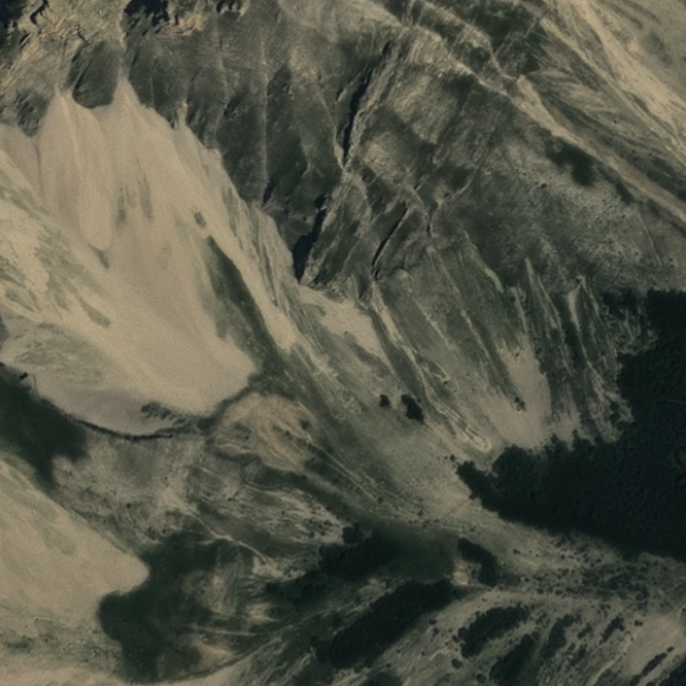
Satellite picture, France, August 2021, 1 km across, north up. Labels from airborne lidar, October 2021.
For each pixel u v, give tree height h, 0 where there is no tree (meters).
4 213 0
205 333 0
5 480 0
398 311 0
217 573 0
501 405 0
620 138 0
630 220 0
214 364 0
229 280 0
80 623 0
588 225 0
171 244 0
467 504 0
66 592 0
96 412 0
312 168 0
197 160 0
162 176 0
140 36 0
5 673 0
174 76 0
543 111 0
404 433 0
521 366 0
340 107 0
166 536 0
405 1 0
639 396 12
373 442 0
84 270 0
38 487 0
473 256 0
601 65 0
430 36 0
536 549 0
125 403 0
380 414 0
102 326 0
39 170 0
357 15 0
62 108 0
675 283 0
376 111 0
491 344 0
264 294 0
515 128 0
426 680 0
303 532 0
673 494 16
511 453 5
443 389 0
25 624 0
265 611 0
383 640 8
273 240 0
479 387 0
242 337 0
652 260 0
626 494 16
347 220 0
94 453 0
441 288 0
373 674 0
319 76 0
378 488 0
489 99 0
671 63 0
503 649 0
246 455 0
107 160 0
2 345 0
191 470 0
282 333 0
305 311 0
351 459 0
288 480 0
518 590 0
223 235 0
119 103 0
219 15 0
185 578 0
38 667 0
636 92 0
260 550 0
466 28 0
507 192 0
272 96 0
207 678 0
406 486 0
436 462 0
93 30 0
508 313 0
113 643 0
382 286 0
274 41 0
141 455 0
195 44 0
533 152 0
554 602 0
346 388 0
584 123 0
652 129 0
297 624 0
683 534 15
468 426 0
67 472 0
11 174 0
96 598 0
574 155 0
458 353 0
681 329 9
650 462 15
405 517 0
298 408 0
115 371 0
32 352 0
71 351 0
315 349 0
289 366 0
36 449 0
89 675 0
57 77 0
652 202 0
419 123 0
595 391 0
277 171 0
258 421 0
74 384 0
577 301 0
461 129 0
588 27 0
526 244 0
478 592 0
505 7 0
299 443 0
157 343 0
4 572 0
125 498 0
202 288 0
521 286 0
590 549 0
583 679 0
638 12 0
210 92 0
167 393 0
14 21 0
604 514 13
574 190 0
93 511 0
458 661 8
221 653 0
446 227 0
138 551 0
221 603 0
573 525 12
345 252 0
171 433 0
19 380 0
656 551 13
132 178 0
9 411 0
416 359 0
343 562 13
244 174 0
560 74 0
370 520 0
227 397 0
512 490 8
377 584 0
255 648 0
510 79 0
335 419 0
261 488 0
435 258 0
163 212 0
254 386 0
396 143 0
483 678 10
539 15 0
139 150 0
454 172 0
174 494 0
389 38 0
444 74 0
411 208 0
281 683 0
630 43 0
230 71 0
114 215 0
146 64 0
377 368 0
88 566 0
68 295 0
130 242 0
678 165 0
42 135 0
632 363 14
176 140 0
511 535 0
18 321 0
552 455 10
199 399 0
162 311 0
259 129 0
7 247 0
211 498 0
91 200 0
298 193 0
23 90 0
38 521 0
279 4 0
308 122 0
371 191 0
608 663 0
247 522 0
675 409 14
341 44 0
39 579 0
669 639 0
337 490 0
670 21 0
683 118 0
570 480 10
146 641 0
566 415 0
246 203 0
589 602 0
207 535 0
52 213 0
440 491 0
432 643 0
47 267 0
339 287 0
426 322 0
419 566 0
